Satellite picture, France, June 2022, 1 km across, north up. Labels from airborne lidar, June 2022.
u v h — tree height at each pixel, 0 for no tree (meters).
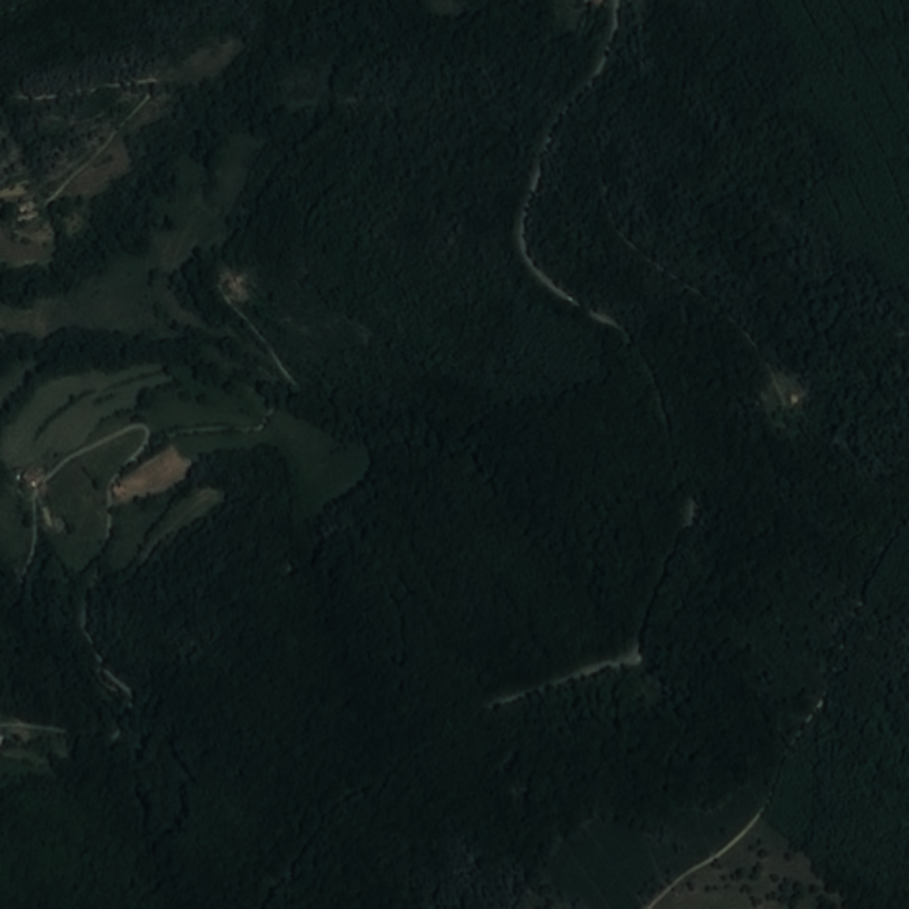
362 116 7
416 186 12
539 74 15
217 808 19
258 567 17
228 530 18
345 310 10
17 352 22
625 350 22
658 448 22
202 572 7
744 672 14
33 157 13
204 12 17
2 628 9
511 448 26
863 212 13
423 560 16
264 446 11
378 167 8
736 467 22
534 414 25
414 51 10
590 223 12
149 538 6
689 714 18
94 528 0
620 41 10
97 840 19
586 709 23
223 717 22
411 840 20
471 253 7
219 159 25
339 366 7
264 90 19
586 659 20
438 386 9
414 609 30
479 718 24
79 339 27
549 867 9
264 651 23
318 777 22
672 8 12
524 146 12
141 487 0
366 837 16
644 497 19
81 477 0
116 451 0
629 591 23
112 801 21
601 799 17
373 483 16
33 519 6
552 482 21
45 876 20
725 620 16
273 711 19
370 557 27
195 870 18
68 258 16
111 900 24
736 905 0
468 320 10
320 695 24
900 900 18
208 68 0
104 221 22
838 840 23
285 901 17
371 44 10
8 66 16
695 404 19
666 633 16
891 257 13
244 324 15
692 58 11
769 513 13
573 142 10
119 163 0
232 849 21
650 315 15
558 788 20
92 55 17
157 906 25
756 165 6
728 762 14
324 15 13
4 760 8
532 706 13
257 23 16
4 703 20
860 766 20
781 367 9
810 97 16
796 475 14
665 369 18
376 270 16
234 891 25
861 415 11
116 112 10
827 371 13
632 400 19
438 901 16
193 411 0
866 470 17
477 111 8
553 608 24
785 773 8
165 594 8
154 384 0
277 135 19
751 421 10
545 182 8
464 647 17
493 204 10
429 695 31
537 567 26
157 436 7
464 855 18
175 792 8
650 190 12
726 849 0
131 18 10
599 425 21
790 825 10
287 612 26
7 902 20
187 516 0
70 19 17
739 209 15
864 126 16
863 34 15
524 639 16
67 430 0
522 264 6
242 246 8
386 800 27
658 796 18
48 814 21
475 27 16
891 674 21
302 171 6
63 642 17
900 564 15
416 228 9
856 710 26
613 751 24
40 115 14
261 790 20
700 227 8
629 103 11
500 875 11
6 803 20
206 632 9
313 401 21
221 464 17
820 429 10
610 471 23
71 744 9
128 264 0
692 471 19
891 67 14
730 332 11
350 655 33
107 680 11
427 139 8
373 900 19
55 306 0
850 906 16
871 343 15
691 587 14
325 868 23
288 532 25
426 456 36
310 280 12
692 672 18
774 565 14
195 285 16
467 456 25
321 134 25
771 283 11
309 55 19
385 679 32
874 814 26
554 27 12
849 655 13
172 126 16
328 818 14
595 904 0
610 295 18
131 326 0
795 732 9
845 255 12
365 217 7
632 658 0
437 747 27
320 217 13
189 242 0
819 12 12
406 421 19
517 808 14
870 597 20
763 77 11
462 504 23
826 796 18
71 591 11
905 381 14
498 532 23
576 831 12
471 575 16
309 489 0
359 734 27
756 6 10
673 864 0
